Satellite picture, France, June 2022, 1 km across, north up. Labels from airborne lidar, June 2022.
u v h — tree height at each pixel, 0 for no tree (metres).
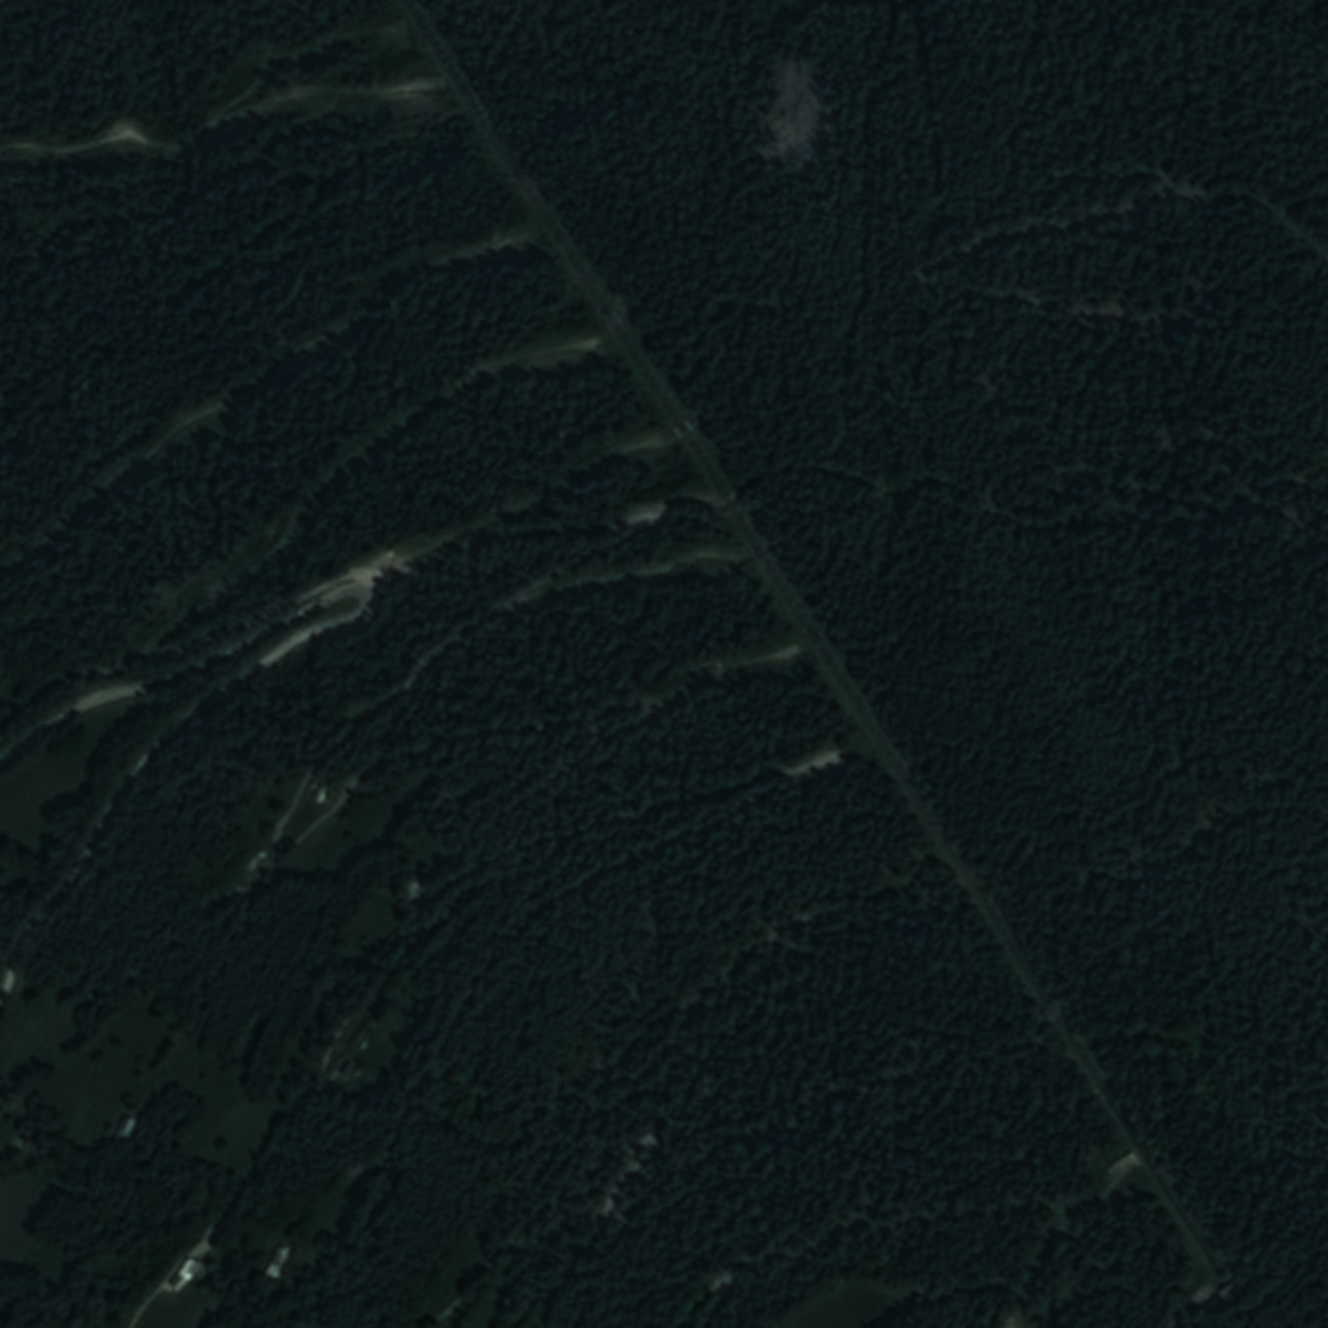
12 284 22
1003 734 23
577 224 22
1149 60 32
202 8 26
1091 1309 23
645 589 22
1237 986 25
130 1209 18
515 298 25
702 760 22
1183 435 23
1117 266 31
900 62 30
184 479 23
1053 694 25
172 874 19
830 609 25
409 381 17
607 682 23
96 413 23
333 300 25
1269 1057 14
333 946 17
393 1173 14
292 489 17
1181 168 22
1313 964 23
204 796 25
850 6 27
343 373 23
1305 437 20
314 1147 21
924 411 21
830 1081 15
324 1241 20
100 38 21
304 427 19
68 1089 0
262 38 24
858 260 26
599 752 25
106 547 22
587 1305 24
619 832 23
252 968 18
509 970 28
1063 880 28
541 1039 28
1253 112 25
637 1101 20
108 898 23
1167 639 28
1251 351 7
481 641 24
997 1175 22
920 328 27
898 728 21
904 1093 27
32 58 11
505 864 25
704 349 28
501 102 20
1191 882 22
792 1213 25
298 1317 23
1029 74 32
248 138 20
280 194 24
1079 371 30
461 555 25
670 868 20
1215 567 33
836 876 21
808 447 25
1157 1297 20
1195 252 27
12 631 16
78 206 28
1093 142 23
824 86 21
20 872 12
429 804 20
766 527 24
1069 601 25
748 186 29
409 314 20
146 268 25
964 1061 23
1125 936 25
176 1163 19
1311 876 30
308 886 22
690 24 26
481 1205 28
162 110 26
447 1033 26
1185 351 29
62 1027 0
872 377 28
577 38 22
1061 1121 26
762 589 21
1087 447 23
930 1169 23
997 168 24
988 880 19
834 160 30
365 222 25
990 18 29
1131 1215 29
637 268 20
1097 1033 9
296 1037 12
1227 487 31
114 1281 9
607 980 21
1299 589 32
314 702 12
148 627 8
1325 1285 22
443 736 7
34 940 18
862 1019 22
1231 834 29
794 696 25
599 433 27
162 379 18
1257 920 28
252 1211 17
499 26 23
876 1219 26
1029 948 22
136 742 18
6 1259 0
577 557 19
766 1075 25
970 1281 24
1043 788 23
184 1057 0
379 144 13
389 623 18
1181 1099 25
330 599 0
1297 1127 23
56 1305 24
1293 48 16
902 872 26
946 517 21
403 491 20
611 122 19
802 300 22
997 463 25
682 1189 21
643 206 22
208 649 17
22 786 0
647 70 23
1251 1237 27
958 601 26
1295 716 26
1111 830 28
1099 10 25
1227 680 26
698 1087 21
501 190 15
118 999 19
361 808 12
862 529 23
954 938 20
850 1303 0
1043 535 29
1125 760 28
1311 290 19
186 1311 0
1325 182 27
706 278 19
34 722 15
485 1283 14
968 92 25
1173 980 18
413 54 9
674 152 29
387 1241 25
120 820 17
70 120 22
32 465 17
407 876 23
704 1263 12
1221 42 26
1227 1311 20
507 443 20
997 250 23
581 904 27
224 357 24
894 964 19
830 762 0
